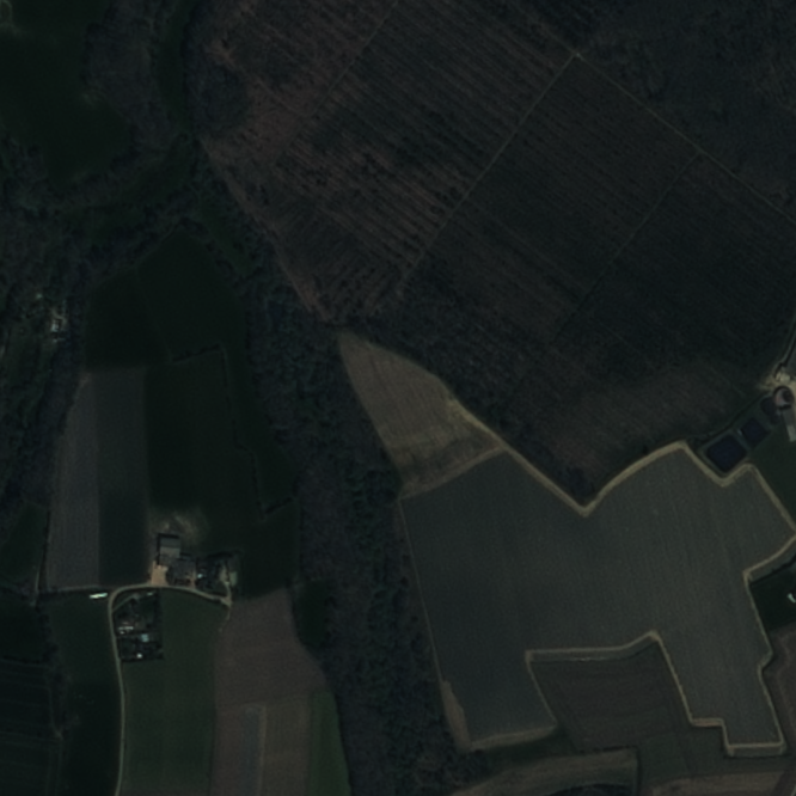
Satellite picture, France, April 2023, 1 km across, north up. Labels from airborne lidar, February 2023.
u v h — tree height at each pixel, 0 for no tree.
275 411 21
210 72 24
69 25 0
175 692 0
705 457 0
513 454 0
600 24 13
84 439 0
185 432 0
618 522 0
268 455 0
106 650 0
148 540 0
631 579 0
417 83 0
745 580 0
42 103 0
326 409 10
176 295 0
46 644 7
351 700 24
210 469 0
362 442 20
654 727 0
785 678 0
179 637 0
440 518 0
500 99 0
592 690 0
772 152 14
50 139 0
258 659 0
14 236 20
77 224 0
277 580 0
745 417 0
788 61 19
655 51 14
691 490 0
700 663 0
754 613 0
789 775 0
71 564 0
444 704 0
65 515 0
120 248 13
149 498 0
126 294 0
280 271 18
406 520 0
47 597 7
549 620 0
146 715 0
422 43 0
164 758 0
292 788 0
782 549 0
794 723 0
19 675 0
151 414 0
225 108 23
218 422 0
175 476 0
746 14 19
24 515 0
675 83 15
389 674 7
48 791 0
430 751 13
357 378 0
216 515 0
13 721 0
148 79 19
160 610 7
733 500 0
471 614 0
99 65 22
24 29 0
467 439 0
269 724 0
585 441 0
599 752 6
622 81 8
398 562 13
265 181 0
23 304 14
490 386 9
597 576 0
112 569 0
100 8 0
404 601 13
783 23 19
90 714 0
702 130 13
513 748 0
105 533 0
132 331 0
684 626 0
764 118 14
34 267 9
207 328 0
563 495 0
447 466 0
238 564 0
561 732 0
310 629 0
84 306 18
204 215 0
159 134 25
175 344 0
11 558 0
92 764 0
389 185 0
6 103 0
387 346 17
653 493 0
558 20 6
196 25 19
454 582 0
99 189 15
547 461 16
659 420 0
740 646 0
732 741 0
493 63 0
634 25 15
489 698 0
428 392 0
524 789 0
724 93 13
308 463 21
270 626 0
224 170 0
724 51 16
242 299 13
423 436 0
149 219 16
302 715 0
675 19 13
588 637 0
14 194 17
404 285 6
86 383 0
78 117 0
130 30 23
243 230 10
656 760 0
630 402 0
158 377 0
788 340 0
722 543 0
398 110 0
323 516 24
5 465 15
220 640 0
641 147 0
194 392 0
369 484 15
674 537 0
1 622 0
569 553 0
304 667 0
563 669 0
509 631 0
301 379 13
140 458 0
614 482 0
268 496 0
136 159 22
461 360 8
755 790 0
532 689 0
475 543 0
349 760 15
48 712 0
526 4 8
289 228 0
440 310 8
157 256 0
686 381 0
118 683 0
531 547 0
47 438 17
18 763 0
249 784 0
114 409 0
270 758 0
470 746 0
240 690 0
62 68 0
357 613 16
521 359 6
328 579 14
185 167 0
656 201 0
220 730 0
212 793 0
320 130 0
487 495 0
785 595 0
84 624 0
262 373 22
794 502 0
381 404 0
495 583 0
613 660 0
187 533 0
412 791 6
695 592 0
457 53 0
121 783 0
